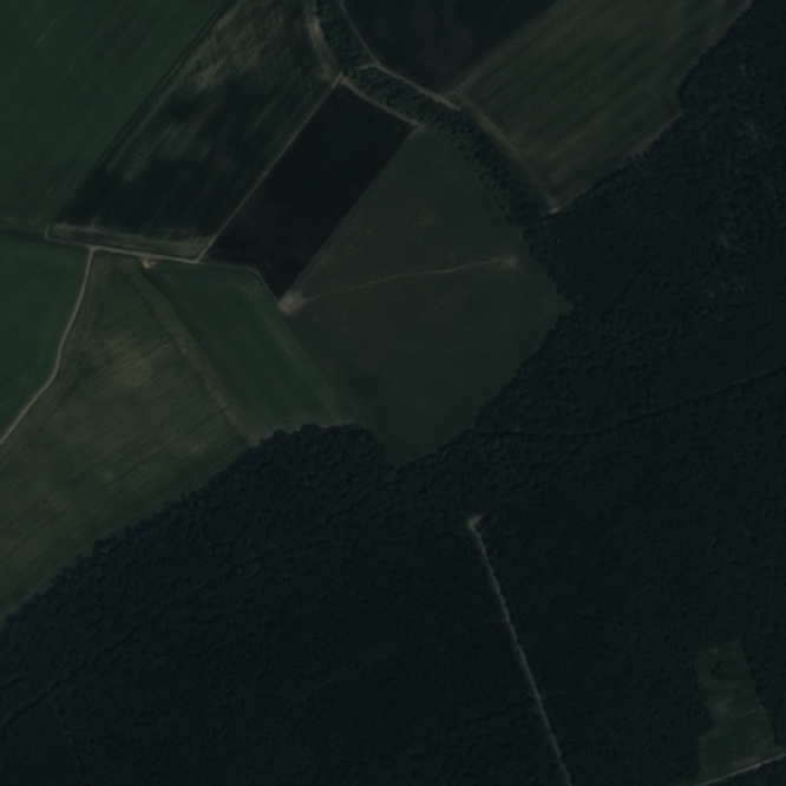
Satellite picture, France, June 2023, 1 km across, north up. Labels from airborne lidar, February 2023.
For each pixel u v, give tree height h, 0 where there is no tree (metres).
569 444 21
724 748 0
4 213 0
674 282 23
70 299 0
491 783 28
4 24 0
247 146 0
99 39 0
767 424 22
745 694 0
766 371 10
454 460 26
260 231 0
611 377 23
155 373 0
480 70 0
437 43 0
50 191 0
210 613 27
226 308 0
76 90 0
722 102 20
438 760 26
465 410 0
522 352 0
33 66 0
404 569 22
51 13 0
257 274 0
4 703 17
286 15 0
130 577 28
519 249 0
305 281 0
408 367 0
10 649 21
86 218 0
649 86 0
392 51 0
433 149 0
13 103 0
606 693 21
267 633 29
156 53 0
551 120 0
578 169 0
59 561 0
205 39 0
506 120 0
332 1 8
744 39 21
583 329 19
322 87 0
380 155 0
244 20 0
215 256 0
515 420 24
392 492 26
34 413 0
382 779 20
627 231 19
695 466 25
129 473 0
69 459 0
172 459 0
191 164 0
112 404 0
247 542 21
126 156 0
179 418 0
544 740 23
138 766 23
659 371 23
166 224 0
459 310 0
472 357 0
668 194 21
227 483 22
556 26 0
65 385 0
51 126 0
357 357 0
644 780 19
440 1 0
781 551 24
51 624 25
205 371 0
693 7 0
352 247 0
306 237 0
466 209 0
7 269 0
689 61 0
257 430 0
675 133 14
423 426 0
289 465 23
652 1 0
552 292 0
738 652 0
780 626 20
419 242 0
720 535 24
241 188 0
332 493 23
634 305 20
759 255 22
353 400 0
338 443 26
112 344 0
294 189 0
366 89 16
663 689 20
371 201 0
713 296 21
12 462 0
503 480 24
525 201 12
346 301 0
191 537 25
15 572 0
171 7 0
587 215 12
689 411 18
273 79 0
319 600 25
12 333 0
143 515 0
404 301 0
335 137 0
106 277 0
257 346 0
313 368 0
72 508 0
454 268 0
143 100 0
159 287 0
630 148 0
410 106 18
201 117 0
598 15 0
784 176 25
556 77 0
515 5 0
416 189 0
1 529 0
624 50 0
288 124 0
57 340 0
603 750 19
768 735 0
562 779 23
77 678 22
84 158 0
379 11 0
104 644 21
